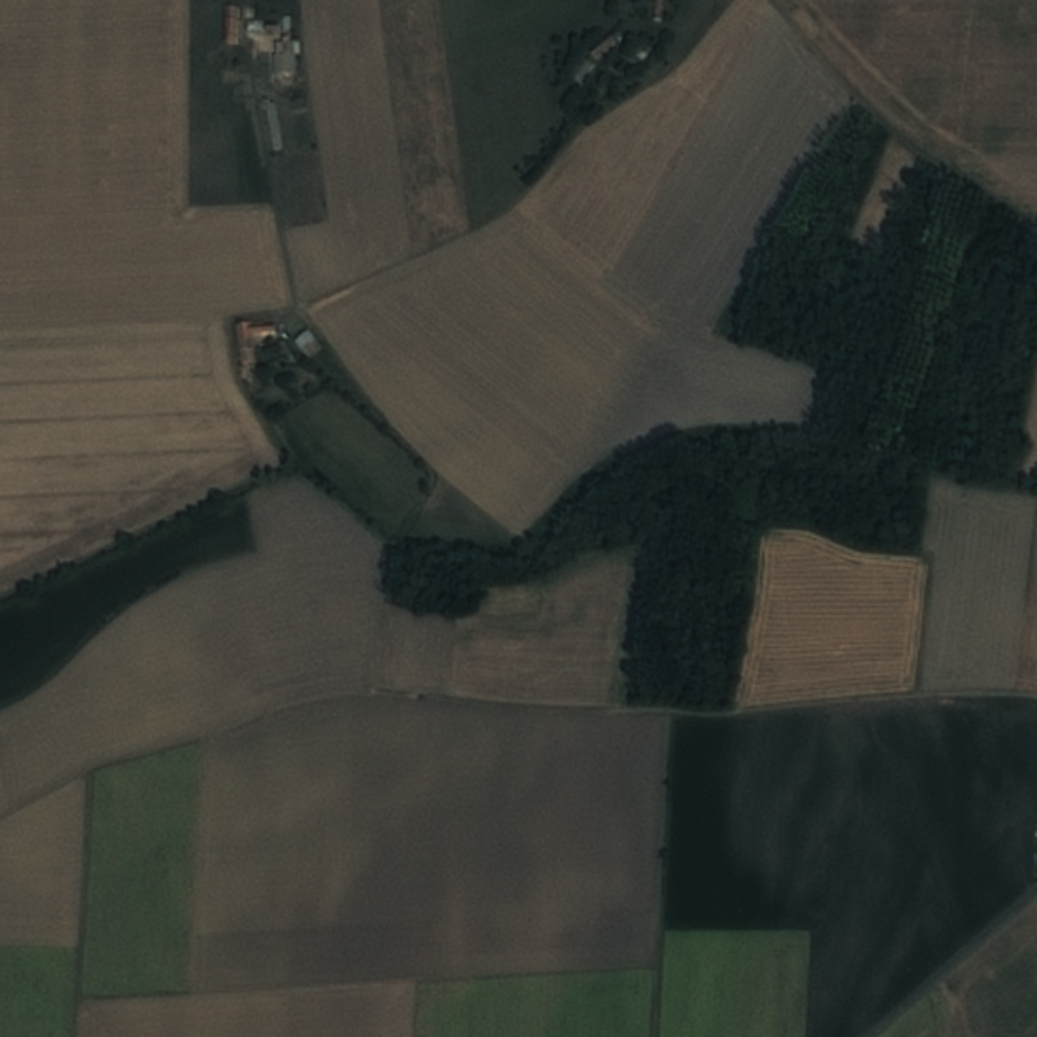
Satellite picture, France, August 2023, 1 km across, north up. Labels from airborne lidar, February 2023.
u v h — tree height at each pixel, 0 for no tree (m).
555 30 0
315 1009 0
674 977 0
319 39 0
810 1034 0
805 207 24
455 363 0
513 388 0
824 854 0
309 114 0
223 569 0
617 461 0
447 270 0
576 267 0
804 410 0
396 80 0
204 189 0
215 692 0
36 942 0
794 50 0
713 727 0
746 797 0
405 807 0
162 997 0
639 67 7
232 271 0
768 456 15
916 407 23
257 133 0
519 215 0
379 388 0
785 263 23
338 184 0
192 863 0
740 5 0
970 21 0
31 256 0
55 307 0
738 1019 0
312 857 0
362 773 0
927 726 0
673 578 20
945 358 6
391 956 0
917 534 22
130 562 0
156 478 0
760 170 0
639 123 0
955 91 0
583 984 0
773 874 0
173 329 0
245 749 0
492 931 0
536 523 0
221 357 0
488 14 0
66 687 0
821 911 0
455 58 0
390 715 0
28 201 0
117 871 0
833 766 0
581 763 0
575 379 0
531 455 0
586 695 0
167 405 0
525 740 0
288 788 0
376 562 0
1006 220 12
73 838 0
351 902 0
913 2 0
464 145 0
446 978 0
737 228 0
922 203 12
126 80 0
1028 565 0
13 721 0
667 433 0
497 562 17
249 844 0
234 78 0
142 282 0
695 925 0
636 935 0
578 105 10
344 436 0
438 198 0
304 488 0
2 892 0
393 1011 0
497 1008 0
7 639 0
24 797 0
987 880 0
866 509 8
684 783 0
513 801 0
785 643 0
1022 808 0
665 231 0
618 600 0
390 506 0
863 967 0
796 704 0
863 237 0
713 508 13
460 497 0
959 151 0
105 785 0
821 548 0
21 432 0
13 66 0
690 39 0
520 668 0
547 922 0
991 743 0
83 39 0
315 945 0
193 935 0
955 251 23
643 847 0
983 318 8
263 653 0
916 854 0
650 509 30
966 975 0
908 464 22
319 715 0
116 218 0
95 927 0
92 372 0
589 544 24
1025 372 9
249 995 0
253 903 0
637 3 12
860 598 0
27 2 0
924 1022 0
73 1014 0
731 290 0
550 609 0
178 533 0
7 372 0
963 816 0
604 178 0
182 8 0
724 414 0
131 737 0
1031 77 0
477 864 0
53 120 0
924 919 0
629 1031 0
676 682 24
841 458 23
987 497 0
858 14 0
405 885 0
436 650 0
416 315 0
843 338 22
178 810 0
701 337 0
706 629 23
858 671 0
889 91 0
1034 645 0
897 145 0
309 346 0
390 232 0
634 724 0
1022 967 0
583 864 0
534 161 7
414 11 0
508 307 0
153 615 0
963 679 0
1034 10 0
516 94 0
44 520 0
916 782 0
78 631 0
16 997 0
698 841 0
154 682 0
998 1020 0
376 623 0
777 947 0
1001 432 19
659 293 0
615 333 0
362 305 0
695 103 0
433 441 0
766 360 0
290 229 0
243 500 0
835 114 0
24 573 0
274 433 0
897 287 33
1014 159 0
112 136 0
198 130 0
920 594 0
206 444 0
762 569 0
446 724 0
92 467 0
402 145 0
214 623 0
